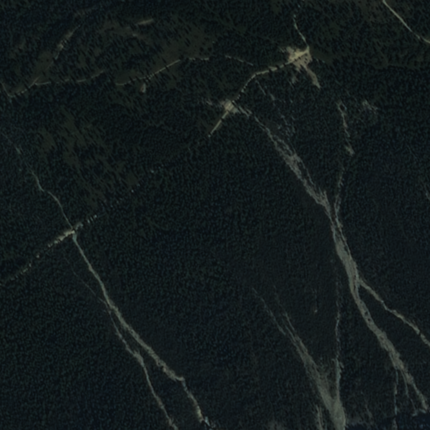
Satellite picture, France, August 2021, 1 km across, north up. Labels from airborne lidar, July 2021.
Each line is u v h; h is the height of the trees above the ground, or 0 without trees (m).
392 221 8
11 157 10
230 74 12
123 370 11
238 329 12
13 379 11
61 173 10
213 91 13
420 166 16
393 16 17
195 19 14
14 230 7
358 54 24
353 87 9
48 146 0
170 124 7
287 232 9
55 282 12
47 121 11
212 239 9
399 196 11
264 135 8
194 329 11
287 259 10
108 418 10
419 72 14
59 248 6
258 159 10
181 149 19
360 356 9
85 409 14
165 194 14
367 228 9
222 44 15
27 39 13
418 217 8
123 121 12
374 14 7
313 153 8
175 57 0
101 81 9
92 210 10
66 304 11
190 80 7
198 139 14
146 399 6
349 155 18
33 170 13
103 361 14
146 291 16
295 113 8
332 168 7
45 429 6
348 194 14
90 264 9
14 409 7
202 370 6
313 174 8
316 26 22
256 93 11
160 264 9
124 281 12
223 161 16
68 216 14
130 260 11
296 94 16
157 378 7
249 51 12
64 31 9
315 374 0
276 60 14
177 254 15
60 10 7
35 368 8
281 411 6
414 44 22
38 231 8
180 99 7
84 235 15
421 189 9
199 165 24
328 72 14
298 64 0
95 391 13
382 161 13
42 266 10
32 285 15
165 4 12
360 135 12
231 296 10
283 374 5
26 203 7
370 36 22
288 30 13
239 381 10
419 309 8
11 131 12
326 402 0
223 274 9
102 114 17
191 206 19
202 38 0
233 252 8
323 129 13
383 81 14
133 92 10
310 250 9
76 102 17
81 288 5
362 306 0
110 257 17
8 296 20
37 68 25
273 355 9
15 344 17
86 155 12
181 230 14
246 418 6
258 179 12
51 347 14
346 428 0
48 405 13
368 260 9
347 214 6
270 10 10
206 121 7
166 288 14
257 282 7
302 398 6
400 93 22
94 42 20
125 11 17
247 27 12
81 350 16
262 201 13
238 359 8
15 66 13
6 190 13
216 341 10
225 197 10
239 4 10
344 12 19
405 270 7
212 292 12
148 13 16
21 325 22
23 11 19
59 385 15
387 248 7
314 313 5
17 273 19
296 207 9
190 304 11
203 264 9
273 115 8
